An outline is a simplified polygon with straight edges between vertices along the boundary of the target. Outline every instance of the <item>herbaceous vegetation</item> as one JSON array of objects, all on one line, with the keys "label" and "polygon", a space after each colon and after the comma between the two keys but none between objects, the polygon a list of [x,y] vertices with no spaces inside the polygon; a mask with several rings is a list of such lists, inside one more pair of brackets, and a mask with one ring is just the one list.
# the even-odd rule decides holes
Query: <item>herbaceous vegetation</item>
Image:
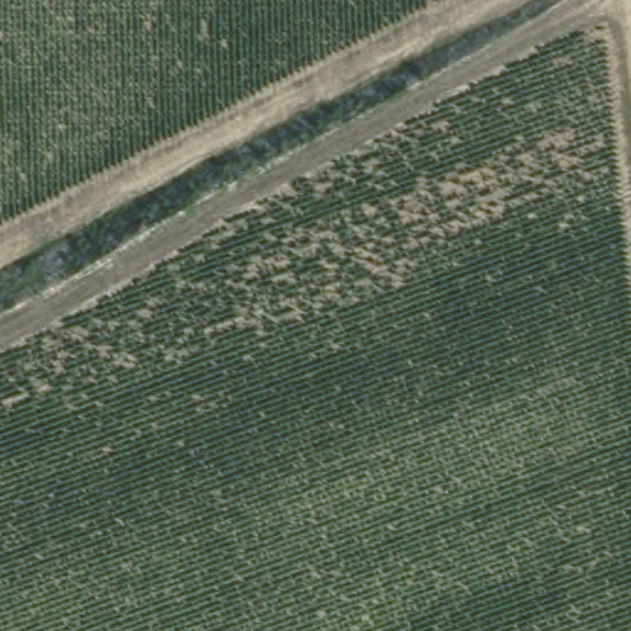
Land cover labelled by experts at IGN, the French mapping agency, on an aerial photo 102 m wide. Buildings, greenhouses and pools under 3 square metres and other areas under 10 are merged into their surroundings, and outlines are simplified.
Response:
[{"label": "herbaceous vegetation", "polygon": [[0,352],[25,345],[42,330],[59,328],[67,316],[89,311],[101,298],[123,291],[133,283],[133,279],[148,276],[160,261],[177,256],[180,249],[185,249],[187,244],[200,242],[205,232],[222,227],[227,217],[239,212],[261,212],[261,205],[266,200],[274,200],[279,195],[293,195],[291,182],[296,177],[316,177],[345,155],[370,153],[377,138],[397,138],[407,118],[431,113],[444,99],[463,94],[466,89],[488,76],[498,76],[500,71],[505,71],[510,62],[527,59],[547,42],[564,37],[574,30],[592,42],[601,39],[606,49],[614,153],[619,168],[619,207],[626,237],[626,264],[631,286],[631,0],[552,0],[542,15],[525,20],[523,25],[463,54],[461,59],[449,62],[439,71],[424,79],[414,79],[392,101],[377,104],[352,116],[348,123],[330,123],[328,131],[323,131],[313,140],[283,150],[281,155],[251,168],[239,180],[217,182],[212,190],[202,192],[190,207],[177,210],[175,214],[150,227],[143,227],[138,234],[121,242],[106,256],[86,264],[84,269],[57,283],[49,283],[39,293],[25,296],[10,308],[0,311]]},{"label": "herbaceous vegetation", "polygon": [[12,219],[0,222],[0,269],[30,254],[42,242],[69,234],[104,217],[106,212],[121,207],[123,202],[165,185],[168,180],[202,163],[205,158],[246,140],[256,131],[266,131],[291,118],[296,111],[313,108],[320,101],[330,101],[345,91],[352,91],[355,86],[392,69],[402,59],[429,49],[434,42],[444,37],[458,35],[478,22],[503,17],[518,10],[523,5],[520,0],[426,0],[421,7],[412,10],[399,22],[385,25],[377,32],[352,42],[350,47],[343,47],[328,54],[325,59],[301,67],[286,79],[274,81],[246,99],[239,99],[234,106],[200,121],[197,126],[190,126],[170,138],[163,138],[150,148],[138,150],[133,158],[104,173],[96,173],[79,185],[62,190],[57,197],[49,197],[15,214]]}]

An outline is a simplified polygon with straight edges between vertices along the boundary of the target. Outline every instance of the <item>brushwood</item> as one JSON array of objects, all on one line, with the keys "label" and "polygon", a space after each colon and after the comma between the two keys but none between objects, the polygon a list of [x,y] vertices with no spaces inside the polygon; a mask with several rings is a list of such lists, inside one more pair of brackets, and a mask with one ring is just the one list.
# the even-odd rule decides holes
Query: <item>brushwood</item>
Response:
[{"label": "brushwood", "polygon": [[296,111],[291,118],[266,131],[256,131],[246,140],[205,158],[202,163],[168,180],[165,185],[123,202],[121,207],[106,212],[104,217],[69,234],[42,242],[30,254],[0,269],[0,311],[10,308],[25,296],[39,293],[49,283],[57,283],[84,269],[86,264],[106,256],[121,242],[138,234],[143,227],[150,227],[175,214],[177,210],[190,207],[202,192],[212,190],[217,182],[239,180],[251,168],[281,155],[283,150],[313,140],[323,131],[328,131],[330,123],[348,123],[352,116],[377,104],[392,101],[414,79],[424,79],[439,71],[449,62],[461,59],[463,54],[523,25],[525,20],[542,15],[552,0],[520,0],[523,5],[518,10],[503,17],[478,22],[458,35],[444,37],[434,42],[429,49],[402,59],[392,69],[355,86],[352,91],[345,91],[330,101],[320,101],[313,108]]}]

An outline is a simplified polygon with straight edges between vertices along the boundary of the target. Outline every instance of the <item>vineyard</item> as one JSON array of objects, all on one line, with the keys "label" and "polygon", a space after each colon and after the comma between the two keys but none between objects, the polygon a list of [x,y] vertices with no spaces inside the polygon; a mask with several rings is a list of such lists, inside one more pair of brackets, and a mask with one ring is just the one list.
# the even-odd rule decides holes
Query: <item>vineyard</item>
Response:
[{"label": "vineyard", "polygon": [[426,0],[0,0],[0,222],[12,219],[15,214],[49,197],[57,197],[62,190],[79,185],[96,173],[104,173],[133,158],[138,150],[150,148],[163,138],[170,138],[190,126],[197,126],[200,121],[234,106],[239,99],[246,99],[274,81],[286,79],[301,67],[325,59],[328,54],[343,47],[350,47],[352,42],[377,32],[385,25],[399,22],[412,10],[421,7]]},{"label": "vineyard", "polygon": [[222,227],[205,232],[200,242],[187,244],[185,249],[180,249],[177,256],[160,261],[148,276],[133,279],[133,283],[123,291],[101,298],[89,311],[67,316],[59,328],[42,330],[25,345],[0,352],[0,631],[631,631],[631,286],[626,264],[626,237],[619,207],[619,168],[614,153],[606,49],[601,39],[592,42],[574,30],[564,37],[547,42],[527,59],[510,62],[505,71],[500,71],[498,76],[488,76],[466,89],[463,94],[444,99],[431,113],[407,118],[397,138],[377,138],[370,153],[345,155],[316,177],[296,177],[291,182],[293,195],[279,195],[274,200],[266,200],[261,205],[261,212],[239,212],[227,217]]}]

